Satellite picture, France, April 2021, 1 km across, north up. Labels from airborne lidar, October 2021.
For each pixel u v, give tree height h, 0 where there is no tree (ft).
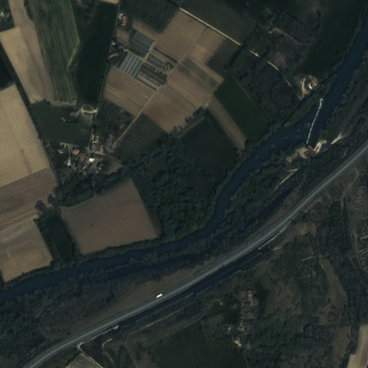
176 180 82
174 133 46
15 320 49
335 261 45
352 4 0
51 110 0
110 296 24
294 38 38
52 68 0
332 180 0
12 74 20
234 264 0
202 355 0
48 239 0
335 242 20
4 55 18
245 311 19
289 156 78
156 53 0
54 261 21
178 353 0
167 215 77
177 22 0
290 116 32
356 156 0
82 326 0
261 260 28
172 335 0
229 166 0
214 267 0
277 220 0
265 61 69
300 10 0
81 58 0
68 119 0
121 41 0
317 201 31
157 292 0
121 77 0
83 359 0
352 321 43
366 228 0
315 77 28
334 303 0
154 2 30
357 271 32
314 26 0
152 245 35
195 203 84
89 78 0
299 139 0
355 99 41
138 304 0
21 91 50
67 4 0
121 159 31
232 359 0
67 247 0
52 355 0
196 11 0
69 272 0
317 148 0
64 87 0
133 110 0
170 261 0
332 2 0
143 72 0
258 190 39
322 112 0
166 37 0
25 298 72
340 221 34
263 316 0
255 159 0
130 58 0
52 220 0
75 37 0
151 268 0
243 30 0
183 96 0
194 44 0
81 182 28
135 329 0
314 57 0
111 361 0
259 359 54
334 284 0
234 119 0
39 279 0
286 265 21
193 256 21
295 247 26
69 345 0
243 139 0
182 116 0
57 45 0
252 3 0
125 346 0
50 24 0
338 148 51
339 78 0
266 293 0
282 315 51
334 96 0
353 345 48
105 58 0
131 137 24
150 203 57
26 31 0
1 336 37
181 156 42
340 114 53
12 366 0
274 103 54
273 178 24
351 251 44
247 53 89
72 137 0
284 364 60
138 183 57
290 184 34
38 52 0
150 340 0
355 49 0
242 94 0
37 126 49
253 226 46
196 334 0
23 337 60
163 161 0
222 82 0
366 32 0
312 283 20
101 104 31
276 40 45
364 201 0
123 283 52
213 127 0
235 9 0
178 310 0
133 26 0
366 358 0
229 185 0
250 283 27
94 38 0
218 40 0
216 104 0
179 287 0
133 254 0
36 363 0
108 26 0
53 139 0
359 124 28
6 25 35
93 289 61
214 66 23
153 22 24
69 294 36
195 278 0
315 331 36
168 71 0
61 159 0
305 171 50
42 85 0
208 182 47
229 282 34
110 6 0
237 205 49
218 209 0
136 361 0
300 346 38
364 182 30
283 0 0
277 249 0
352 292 54
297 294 45
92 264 0
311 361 50
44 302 72
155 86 0
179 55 0
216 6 0
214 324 0
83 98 0
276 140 0
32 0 0
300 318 55
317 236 35
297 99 58
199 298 0
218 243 53
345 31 0
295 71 94
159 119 0
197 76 0
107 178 20
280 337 67
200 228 65
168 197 48
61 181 29
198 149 0
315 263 32
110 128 35
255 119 0
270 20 55
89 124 0
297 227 0
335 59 0
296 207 0
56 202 97
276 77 36
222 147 0
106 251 38
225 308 0
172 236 61
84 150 31
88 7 0
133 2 28
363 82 34
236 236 45
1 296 0
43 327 0
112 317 0
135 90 0
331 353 30
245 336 36
